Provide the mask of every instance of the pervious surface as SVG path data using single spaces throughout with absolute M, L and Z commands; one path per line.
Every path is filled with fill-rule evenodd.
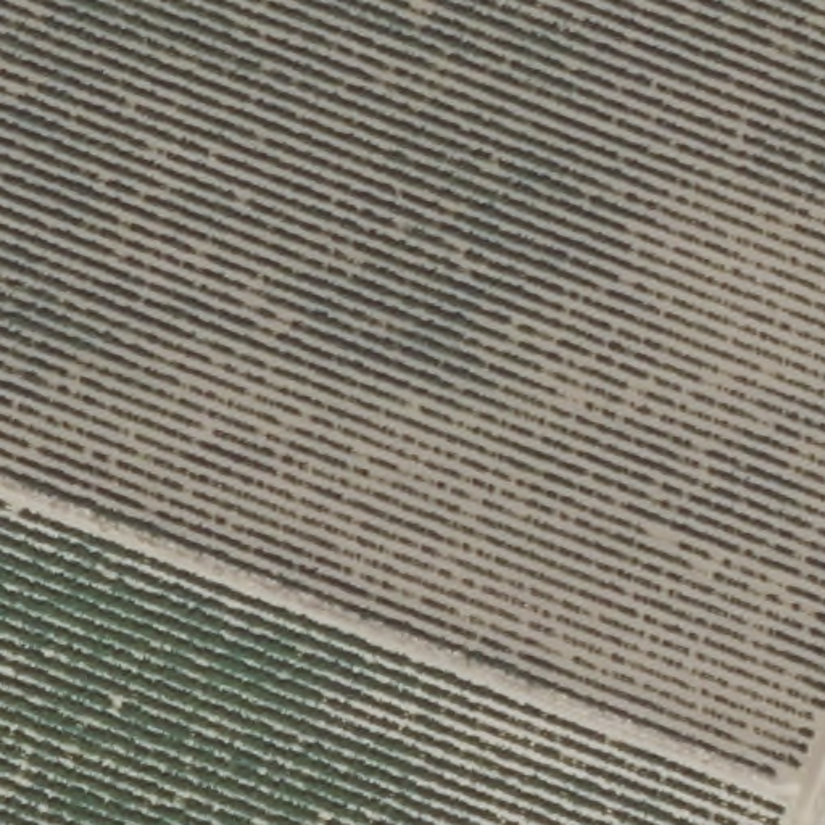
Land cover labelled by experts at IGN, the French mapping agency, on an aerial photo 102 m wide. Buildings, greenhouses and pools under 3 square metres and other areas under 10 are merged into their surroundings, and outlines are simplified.
M 564 715 L 609 738 L 648 748 L 677 764 L 686 764 L 693 770 L 767 796 L 783 806 L 783 815 L 767 812 L 764 806 L 744 796 L 728 796 L 728 790 L 719 790 L 719 799 L 738 802 L 741 809 L 761 812 L 764 819 L 777 819 L 780 825 L 825 825 L 825 709 L 815 715 L 812 741 L 799 767 L 783 767 L 777 777 L 761 777 L 728 761 L 719 761 L 706 751 L 677 744 L 664 735 L 622 722 L 616 715 L 570 703 L 567 696 L 548 690 L 535 703 L 545 712 Z

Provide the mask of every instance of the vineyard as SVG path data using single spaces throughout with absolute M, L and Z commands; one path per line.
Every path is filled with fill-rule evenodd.
M 728 790 L 728 796 L 744 796 L 764 806 L 767 812 L 783 815 L 783 806 L 767 796 L 693 770 L 686 764 L 677 764 L 648 748 L 609 738 L 564 715 L 545 712 L 535 703 L 548 690 L 567 696 L 570 703 L 616 715 L 622 722 L 664 735 L 677 744 L 706 751 L 719 761 L 728 761 L 761 777 L 777 777 L 783 767 L 799 767 L 812 741 L 815 715 L 825 709 L 825 0 L 0 0 L 0 825 L 780 825 L 777 819 L 764 819 L 761 812 L 741 809 L 738 802 L 719 799 L 719 790 Z

